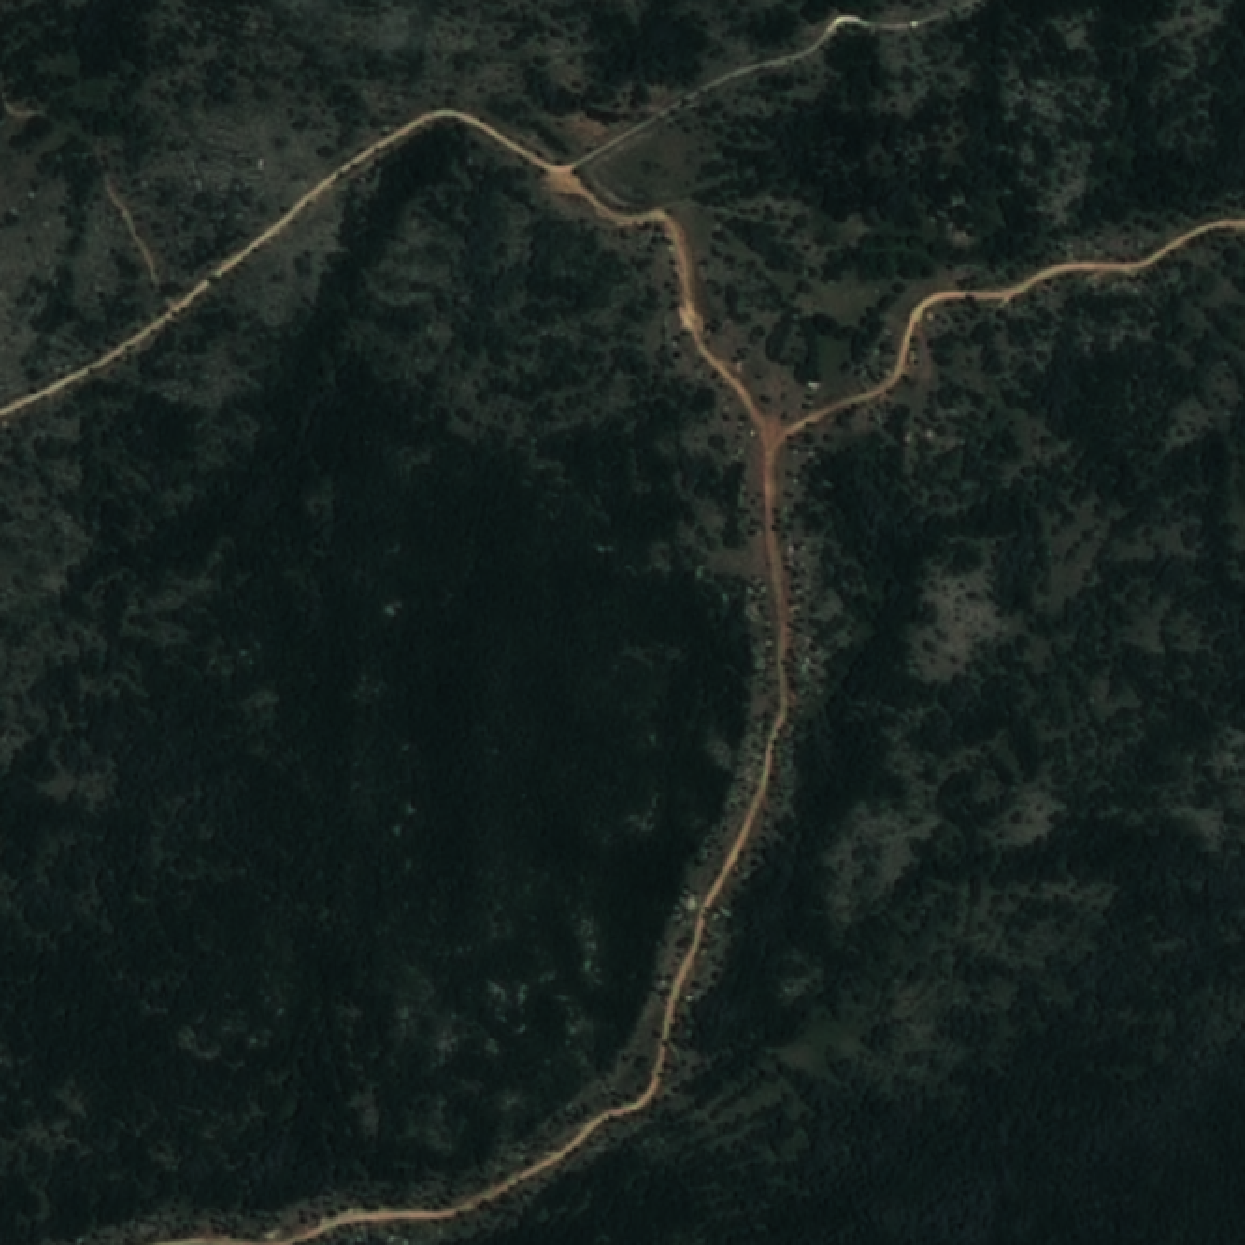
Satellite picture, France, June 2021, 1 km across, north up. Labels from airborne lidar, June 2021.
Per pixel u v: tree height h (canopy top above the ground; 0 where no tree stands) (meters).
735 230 7
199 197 7
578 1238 10
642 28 7
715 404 8
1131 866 13
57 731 6
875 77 10
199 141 0
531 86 8
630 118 6
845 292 0
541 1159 0
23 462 7
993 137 13
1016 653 6
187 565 8
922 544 10
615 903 7
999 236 10
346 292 7
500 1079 8
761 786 0
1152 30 6
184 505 6
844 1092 9
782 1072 11
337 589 7
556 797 8
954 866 6
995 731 8
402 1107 6
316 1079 10
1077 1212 7
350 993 9
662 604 7
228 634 8
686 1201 7
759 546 0
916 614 7
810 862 8
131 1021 8
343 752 8
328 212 0
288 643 7
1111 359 9
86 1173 8
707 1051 9
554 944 7
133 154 6
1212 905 13
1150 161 12
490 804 6
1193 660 7
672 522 8
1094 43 9
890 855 0
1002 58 5
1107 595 7
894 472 6
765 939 10
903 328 0
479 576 9
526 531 6
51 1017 8
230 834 10
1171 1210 7
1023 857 9
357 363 8
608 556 9
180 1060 6
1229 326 8
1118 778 7
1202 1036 6
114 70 9
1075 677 7
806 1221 6
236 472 8
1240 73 8
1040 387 8
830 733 11
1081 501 7
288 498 9
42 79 6
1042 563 9
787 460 0
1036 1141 12
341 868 7
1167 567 10
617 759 6
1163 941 6
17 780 11
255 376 6
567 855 8
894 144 10
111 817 9
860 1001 10
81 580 12
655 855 14
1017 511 10
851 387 0
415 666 7
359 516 8
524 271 10
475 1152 7
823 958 7
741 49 0
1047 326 8
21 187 0
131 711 10
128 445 7
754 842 0
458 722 7
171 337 6
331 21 7
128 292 7
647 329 0
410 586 7
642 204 0
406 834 7
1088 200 10
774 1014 12
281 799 9
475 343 7
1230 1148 13
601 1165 8
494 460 7
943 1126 6
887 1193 10
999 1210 14
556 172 0
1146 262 0
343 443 9
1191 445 9
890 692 7
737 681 8
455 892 9
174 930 9
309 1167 12
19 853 7
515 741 6
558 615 7
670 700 7
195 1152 8
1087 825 10
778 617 0
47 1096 7
